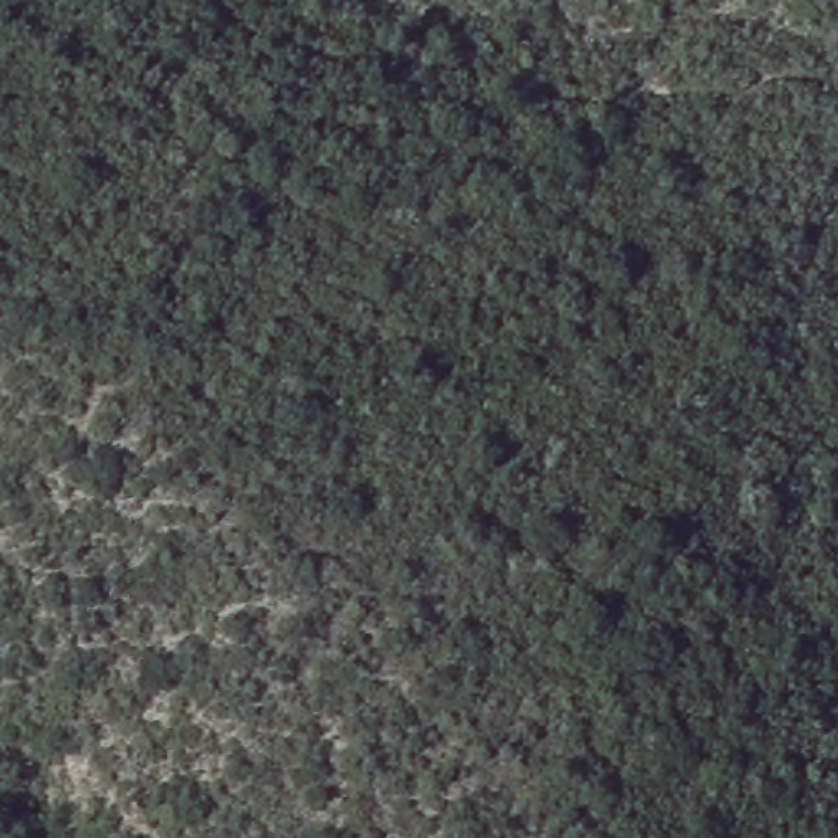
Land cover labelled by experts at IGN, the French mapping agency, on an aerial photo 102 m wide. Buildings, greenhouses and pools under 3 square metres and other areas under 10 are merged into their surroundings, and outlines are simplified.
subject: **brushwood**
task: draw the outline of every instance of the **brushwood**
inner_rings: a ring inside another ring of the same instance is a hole
[[[838,0],[0,0],[0,838],[838,838]]]

